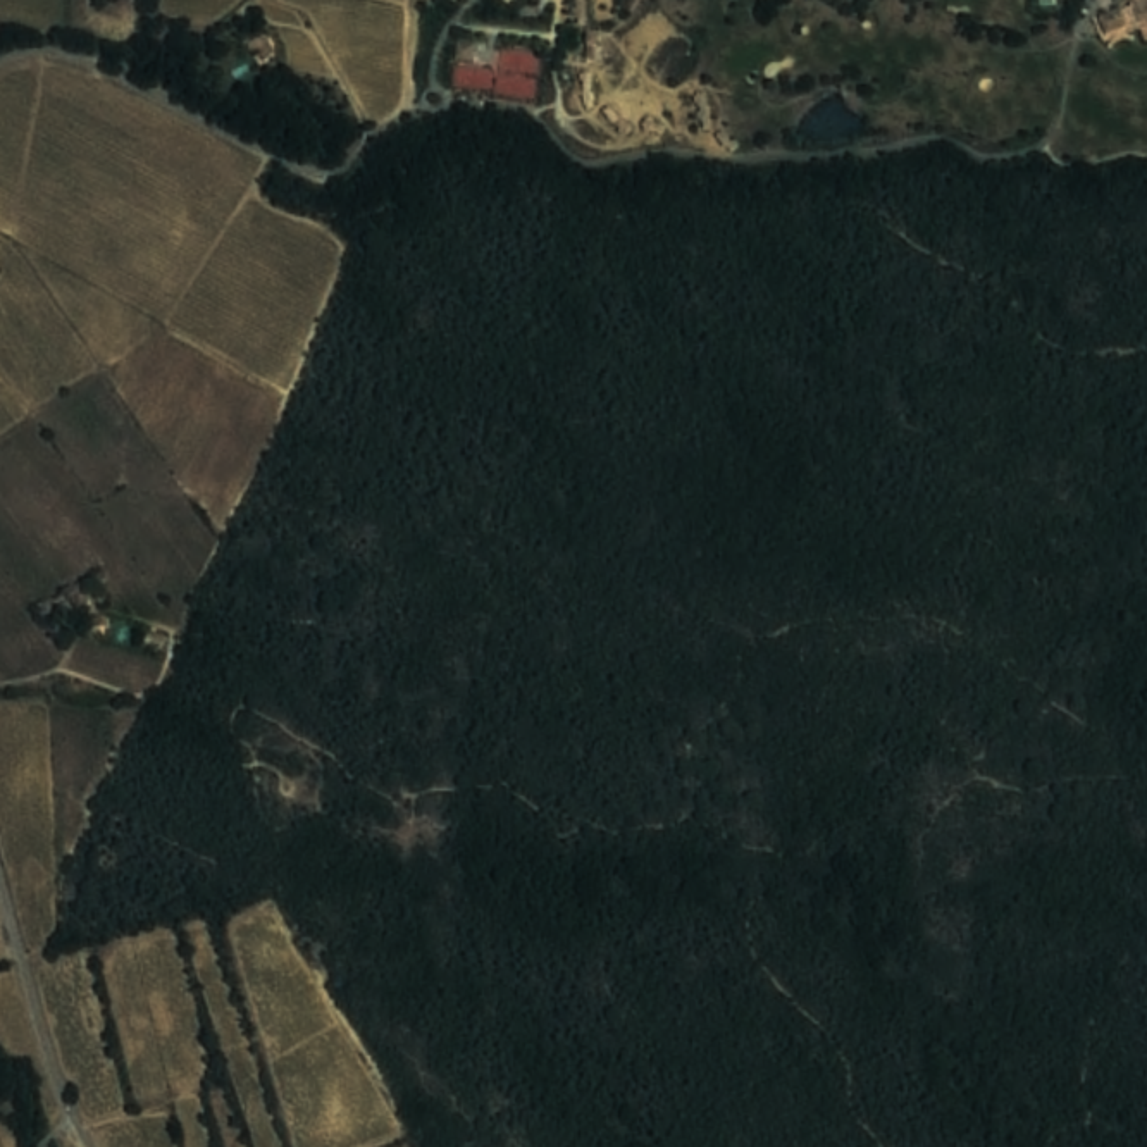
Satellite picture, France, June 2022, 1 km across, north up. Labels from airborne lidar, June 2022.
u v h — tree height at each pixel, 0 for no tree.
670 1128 6
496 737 7
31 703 0
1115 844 7
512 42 8
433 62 0
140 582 0
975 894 7
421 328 6
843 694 8
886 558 11
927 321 7
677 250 9
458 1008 9
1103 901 9
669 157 14
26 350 0
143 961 0
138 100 0
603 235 8
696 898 10
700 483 12
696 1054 8
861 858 9
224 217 0
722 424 8
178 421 0
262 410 0
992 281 13
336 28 0
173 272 0
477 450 13
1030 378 10
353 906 7
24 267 0
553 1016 7
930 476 15
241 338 0
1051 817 10
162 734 11
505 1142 7
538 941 11
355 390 12
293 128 16
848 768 5
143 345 0
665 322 12
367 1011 6
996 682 12
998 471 8
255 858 7
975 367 9
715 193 11
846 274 7
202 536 0
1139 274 6
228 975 10
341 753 7
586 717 7
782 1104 7
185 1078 0
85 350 0
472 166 16
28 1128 9
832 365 11
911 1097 8
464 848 10
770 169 8
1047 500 6
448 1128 8
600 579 7
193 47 15
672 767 6
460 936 9
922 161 8
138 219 0
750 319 13
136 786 12
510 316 12
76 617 10
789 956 8
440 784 0
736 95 0
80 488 0
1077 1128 6
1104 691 11
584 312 7
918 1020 6
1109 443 8
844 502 7
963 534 8
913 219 8
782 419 9
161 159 0
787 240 7
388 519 7
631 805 8
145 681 0
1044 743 7
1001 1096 11
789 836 7
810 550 9
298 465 13
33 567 0
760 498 9
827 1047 6
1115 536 8
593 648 9
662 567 8
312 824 10
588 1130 7
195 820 8
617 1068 7
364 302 13
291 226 0
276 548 8
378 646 7
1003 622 8
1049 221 7
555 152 14
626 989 12
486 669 7
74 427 0
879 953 12
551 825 10
